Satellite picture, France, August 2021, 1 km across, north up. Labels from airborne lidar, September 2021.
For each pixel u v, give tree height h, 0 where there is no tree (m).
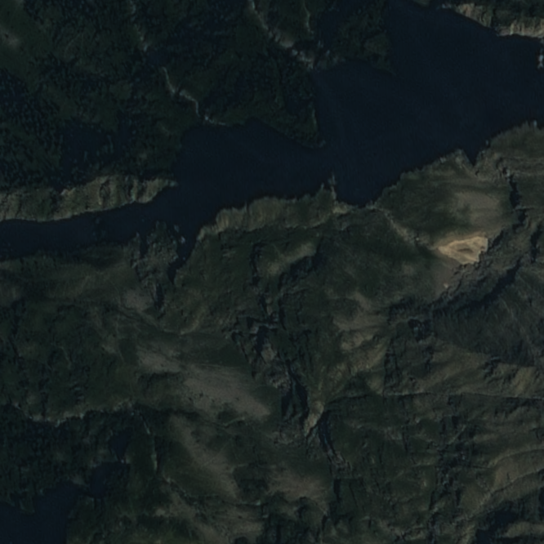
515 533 0
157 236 0
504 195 0
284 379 0
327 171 0
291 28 0
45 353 0
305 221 0
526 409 0
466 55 0
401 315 0
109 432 0
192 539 0
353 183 0
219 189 0
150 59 0
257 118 0
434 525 0
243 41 0
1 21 0
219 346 0
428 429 0
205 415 0
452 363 0
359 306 0
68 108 0
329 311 0
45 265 0
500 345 0
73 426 0
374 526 0
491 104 0
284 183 0
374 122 0
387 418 0
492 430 0
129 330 0
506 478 0
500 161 0
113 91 0
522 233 0
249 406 0
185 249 0
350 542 0
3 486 0
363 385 0
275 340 0
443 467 0
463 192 0
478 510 0
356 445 0
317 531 0
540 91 0
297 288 0
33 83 0
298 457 0
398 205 0
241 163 0
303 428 0
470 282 0
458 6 0
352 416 0
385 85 0
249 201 0
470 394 0
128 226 0
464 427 0
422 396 0
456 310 0
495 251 0
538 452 0
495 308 0
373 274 0
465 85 0
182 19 0
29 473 0
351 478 0
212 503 0
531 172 0
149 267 0
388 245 0
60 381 0
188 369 0
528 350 0
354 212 0
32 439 6
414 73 0
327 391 0
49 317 0
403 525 0
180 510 0
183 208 0
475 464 0
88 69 0
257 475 0
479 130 0
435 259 0
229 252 0
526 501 0
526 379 0
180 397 0
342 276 0
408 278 0
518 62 0
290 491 0
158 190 9
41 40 0
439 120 0
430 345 0
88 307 0
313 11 0
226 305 0
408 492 0
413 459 0
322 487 0
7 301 0
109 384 0
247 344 0
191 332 0
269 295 0
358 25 0
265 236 0
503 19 0
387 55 0
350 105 0
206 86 0
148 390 0
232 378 0
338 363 0
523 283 0
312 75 0
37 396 0
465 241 0
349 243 0
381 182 0
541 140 0
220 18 10
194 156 0
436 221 0
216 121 0
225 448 0
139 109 0
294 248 0
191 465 0
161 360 0
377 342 0
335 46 0
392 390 0
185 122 0
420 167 0
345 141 0
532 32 0
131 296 0
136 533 0
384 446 0
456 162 0
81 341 0
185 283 0
